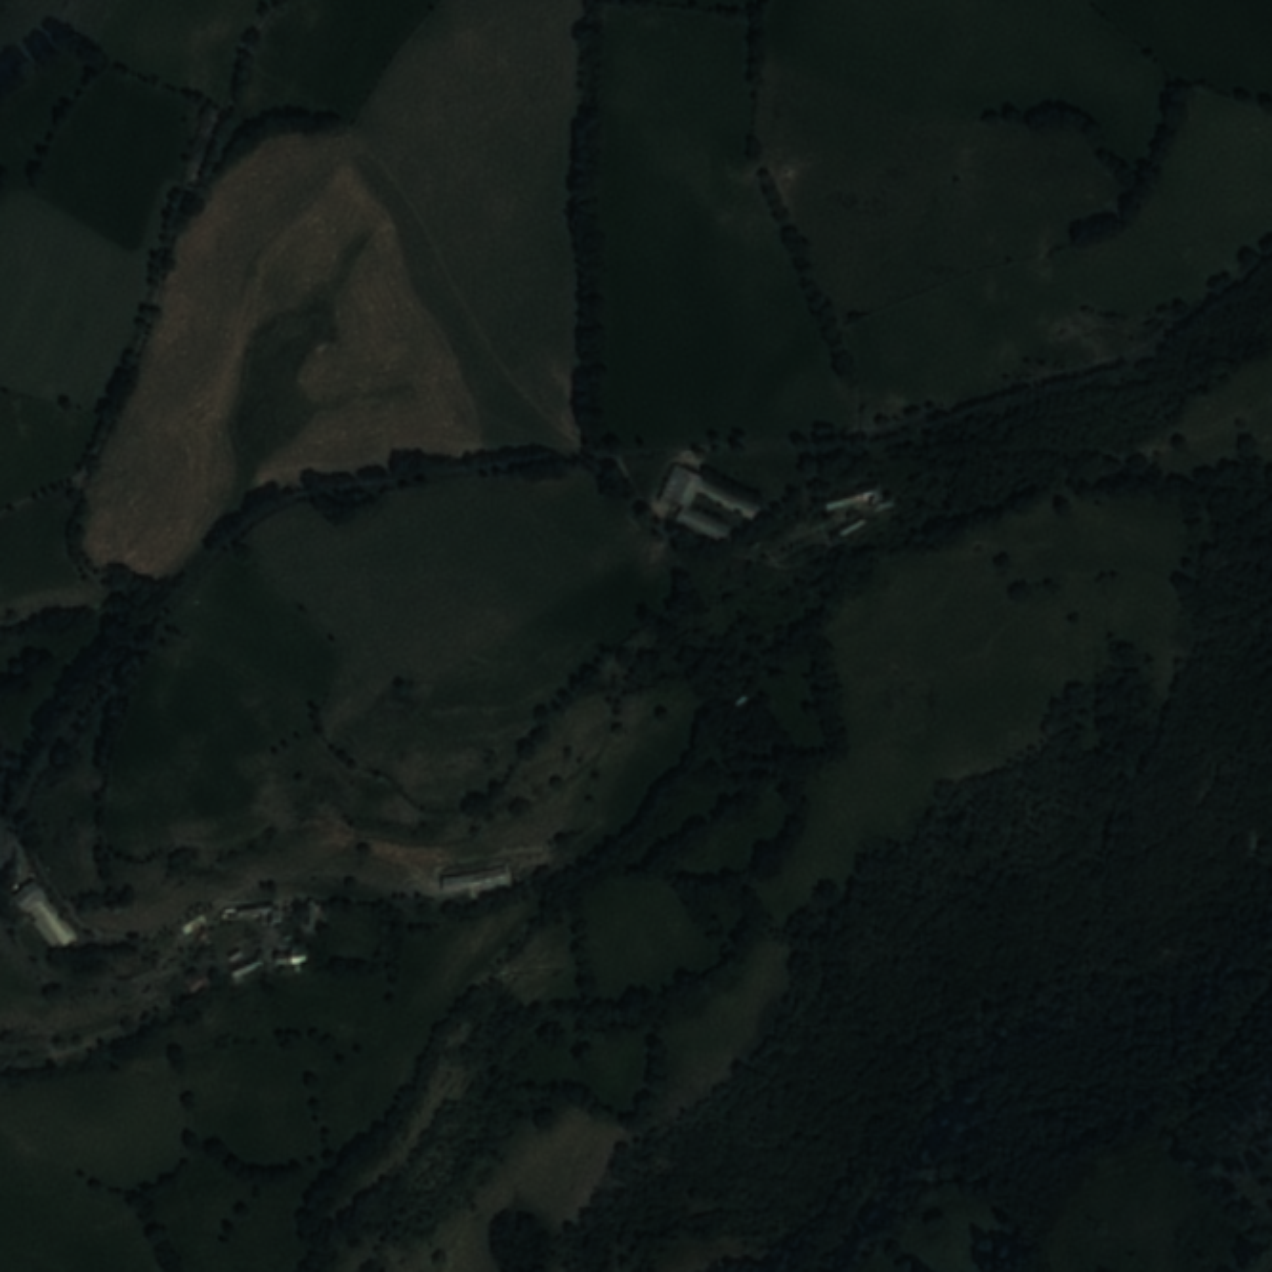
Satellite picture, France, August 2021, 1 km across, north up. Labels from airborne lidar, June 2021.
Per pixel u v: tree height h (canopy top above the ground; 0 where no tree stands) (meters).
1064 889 15
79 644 0
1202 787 11
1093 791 15
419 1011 0
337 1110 0
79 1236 0
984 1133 29
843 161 0
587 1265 11
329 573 0
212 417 0
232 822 0
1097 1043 21
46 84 0
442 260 0
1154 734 9
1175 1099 22
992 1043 18
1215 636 13
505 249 0
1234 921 20
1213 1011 22
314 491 16
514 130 0
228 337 0
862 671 0
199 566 0
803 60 0
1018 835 9
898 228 0
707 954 0
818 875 0
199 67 0
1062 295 0
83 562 8
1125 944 14
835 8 0
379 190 0
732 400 0
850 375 17
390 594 0
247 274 0
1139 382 9
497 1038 13
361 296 0
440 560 0
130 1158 0
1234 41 0
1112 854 16
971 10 0
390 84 0
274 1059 0
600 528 0
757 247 0
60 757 18
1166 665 0
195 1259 0
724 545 12
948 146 0
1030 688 0
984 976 19
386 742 0
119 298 0
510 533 0
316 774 0
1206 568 8
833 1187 14
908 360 0
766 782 19
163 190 0
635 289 0
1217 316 13
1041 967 18
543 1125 12
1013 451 15
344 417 0
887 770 0
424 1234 12
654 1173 10
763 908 12
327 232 0
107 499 0
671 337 0
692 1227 11
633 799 0
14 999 0
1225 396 0
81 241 0
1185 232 0
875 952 13
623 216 0
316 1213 16
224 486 0
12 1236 0
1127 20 0
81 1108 0
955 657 0
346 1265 0
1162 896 11
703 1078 0
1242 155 0
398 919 8
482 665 0
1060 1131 21
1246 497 16
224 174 11
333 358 0
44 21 0
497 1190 0
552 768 0
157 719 0
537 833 0
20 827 11
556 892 15
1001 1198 27
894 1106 20
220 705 0
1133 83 0
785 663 20
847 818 0
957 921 16
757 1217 14
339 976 12
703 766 17
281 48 0
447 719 0
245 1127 0
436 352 0
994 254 0
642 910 0
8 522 0
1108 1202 0
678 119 0
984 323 0
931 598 0
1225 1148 0
